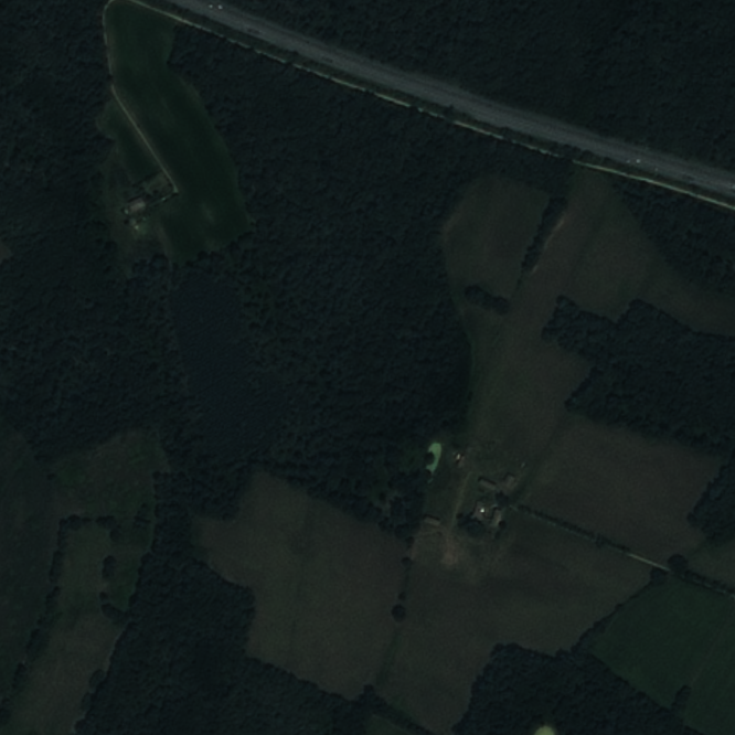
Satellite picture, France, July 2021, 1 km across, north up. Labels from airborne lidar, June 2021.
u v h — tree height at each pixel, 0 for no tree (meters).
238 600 16
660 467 0
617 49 24
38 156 6
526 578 0
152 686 10
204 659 23
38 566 0
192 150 0
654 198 18
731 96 21
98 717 17
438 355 13
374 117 19
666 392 20
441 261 19
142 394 20
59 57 14
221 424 9
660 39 21
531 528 0
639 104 19
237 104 16
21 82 12
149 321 8
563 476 0
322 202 18
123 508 0
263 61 19
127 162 0
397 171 20
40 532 0
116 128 0
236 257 17
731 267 15
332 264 14
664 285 0
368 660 0
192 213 0
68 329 20
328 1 24
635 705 15
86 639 0
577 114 19
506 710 19
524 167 19
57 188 13
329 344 17
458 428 9
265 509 0
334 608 0
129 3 0
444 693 0
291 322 12
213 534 0
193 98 0
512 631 0
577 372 0
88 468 0
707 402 17
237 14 0
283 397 6
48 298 18
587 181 0
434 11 15
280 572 0
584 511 0
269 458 12
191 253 0
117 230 0
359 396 20
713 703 0
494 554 0
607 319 12
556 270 0
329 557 0
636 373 21
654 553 0
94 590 0
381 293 15
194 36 17
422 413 12
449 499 0
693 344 21
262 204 18
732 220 20
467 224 0
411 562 10
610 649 0
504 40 19
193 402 14
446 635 0
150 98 0
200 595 22
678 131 18
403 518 20
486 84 12
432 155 15
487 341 0
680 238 18
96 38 15
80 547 0
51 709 0
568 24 20
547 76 22
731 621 0
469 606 0
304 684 11
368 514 18
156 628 18
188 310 8
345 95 11
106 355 19
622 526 0
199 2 0
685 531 0
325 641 0
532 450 0
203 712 18
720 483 19
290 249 12
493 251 0
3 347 9
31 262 13
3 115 16
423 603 0
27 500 0
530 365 0
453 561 0
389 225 21
